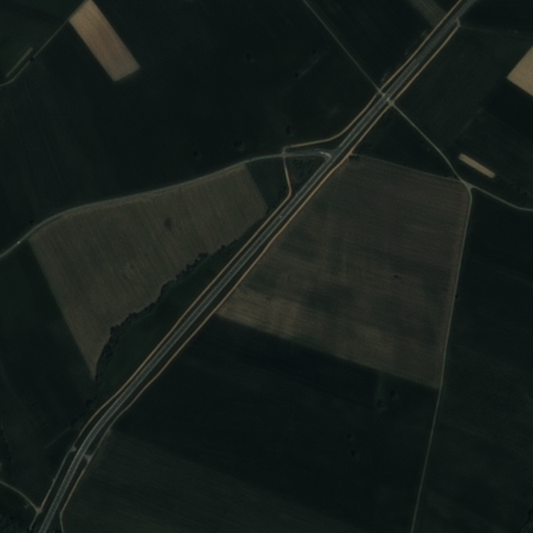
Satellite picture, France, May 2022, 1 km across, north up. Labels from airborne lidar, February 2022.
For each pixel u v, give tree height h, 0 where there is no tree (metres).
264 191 0
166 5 0
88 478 0
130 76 0
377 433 0
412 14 0
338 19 0
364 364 0
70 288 0
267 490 0
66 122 0
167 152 0
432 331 0
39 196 0
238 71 0
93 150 0
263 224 0
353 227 0
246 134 0
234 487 0
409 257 0
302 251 0
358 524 0
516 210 0
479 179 0
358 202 0
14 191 0
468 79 0
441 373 0
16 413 0
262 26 0
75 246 0
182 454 0
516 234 0
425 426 0
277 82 0
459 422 0
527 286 0
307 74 0
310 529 0
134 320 12
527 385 0
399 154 0
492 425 0
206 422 0
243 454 0
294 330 0
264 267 0
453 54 0
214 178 0
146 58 0
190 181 0
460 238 0
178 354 0
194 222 0
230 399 0
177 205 0
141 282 0
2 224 0
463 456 0
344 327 0
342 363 0
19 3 0
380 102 0
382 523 0
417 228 0
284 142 0
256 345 0
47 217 0
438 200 0
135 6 0
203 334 0
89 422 0
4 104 0
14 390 0
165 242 0
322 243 0
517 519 0
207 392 0
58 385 0
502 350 0
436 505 0
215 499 0
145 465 0
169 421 0
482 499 0
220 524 0
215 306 0
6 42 0
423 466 0
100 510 0
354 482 0
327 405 0
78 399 0
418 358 0
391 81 0
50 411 0
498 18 0
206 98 0
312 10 0
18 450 0
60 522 0
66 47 0
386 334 0
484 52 0
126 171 0
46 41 0
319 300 0
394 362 0
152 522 0
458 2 0
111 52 0
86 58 0
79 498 0
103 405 0
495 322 0
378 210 0
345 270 0
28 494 0
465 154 0
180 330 0
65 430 0
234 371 0
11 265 0
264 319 0
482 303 0
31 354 0
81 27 0
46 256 0
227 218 0
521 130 0
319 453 0
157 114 0
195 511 0
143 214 0
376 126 0
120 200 0
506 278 0
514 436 0
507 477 0
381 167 0
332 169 0
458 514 0
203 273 0
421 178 0
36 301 0
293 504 0
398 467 0
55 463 0
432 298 0
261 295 0
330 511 0
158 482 0
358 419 0
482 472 0
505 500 0
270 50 0
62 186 0
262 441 0
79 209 0
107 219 0
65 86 0
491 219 0
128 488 0
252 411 0
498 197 0
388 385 0
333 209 0
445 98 0
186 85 0
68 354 0
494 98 0
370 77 0
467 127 0
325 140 0
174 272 0
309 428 0
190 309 0
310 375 0
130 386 0
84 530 0
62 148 0
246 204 0
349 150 0
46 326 0
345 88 0
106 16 0
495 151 0
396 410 0
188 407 0
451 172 0
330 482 0
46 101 0
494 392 0
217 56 0
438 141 0
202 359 0
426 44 0
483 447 0
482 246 0
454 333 0
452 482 0
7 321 0
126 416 0
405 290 0
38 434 0
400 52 0
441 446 0
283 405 0
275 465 0
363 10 0
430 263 0
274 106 0
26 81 0
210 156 0
